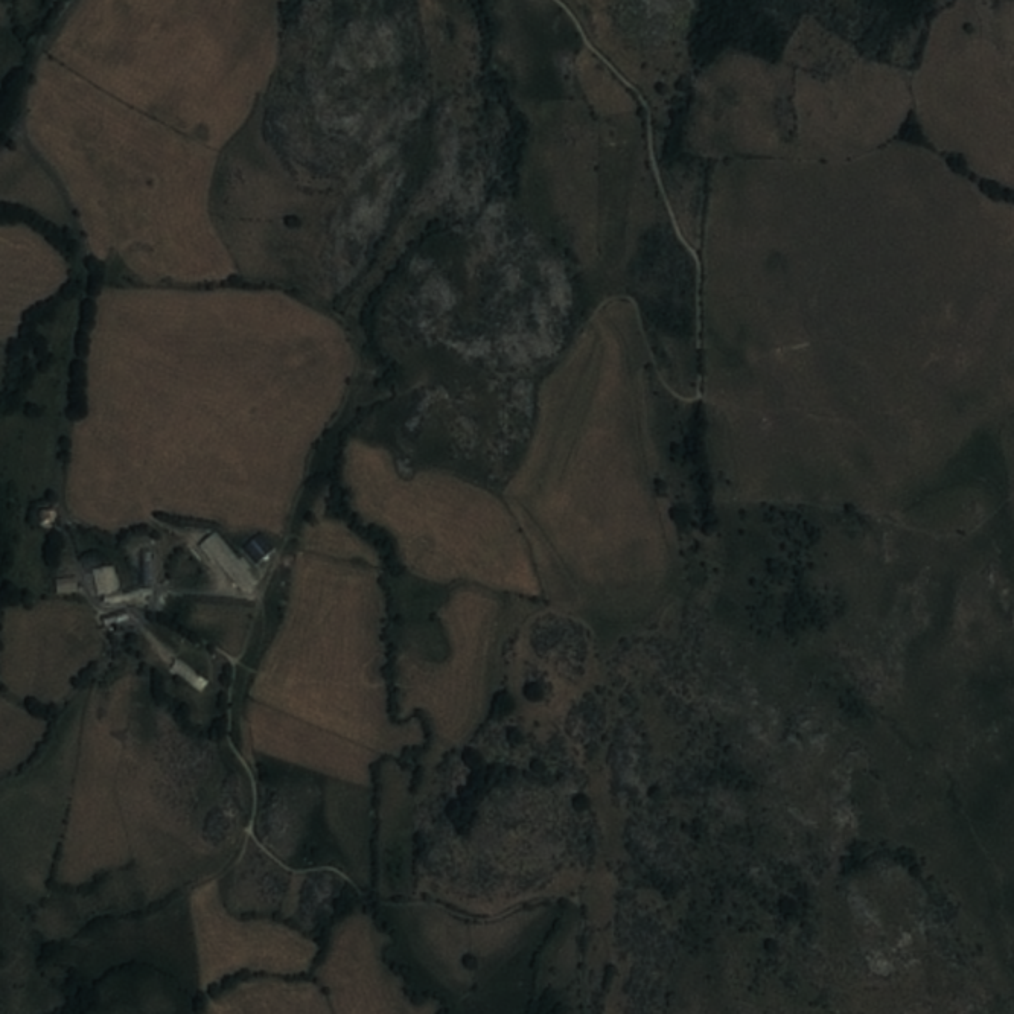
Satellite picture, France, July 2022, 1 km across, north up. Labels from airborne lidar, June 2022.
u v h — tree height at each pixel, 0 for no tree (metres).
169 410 0
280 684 0
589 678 0
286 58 0
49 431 0
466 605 0
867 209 0
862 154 0
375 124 0
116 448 0
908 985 0
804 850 0
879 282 0
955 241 0
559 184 0
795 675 0
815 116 0
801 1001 0
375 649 0
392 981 0
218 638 0
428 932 0
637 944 0
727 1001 0
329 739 0
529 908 8
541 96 0
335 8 0
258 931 0
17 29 14
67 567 0
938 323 0
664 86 12
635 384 0
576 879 0
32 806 0
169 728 0
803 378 0
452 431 0
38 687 0
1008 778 0
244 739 0
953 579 0
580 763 0
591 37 0
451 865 0
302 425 0
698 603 0
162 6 0
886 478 0
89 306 17
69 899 0
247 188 0
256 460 0
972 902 0
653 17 0
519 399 0
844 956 0
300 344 0
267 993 0
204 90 0
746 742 0
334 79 0
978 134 0
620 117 0
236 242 0
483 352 0
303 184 0
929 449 0
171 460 0
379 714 0
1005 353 0
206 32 0
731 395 0
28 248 0
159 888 0
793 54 0
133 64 0
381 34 0
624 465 0
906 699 0
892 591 0
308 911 0
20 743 0
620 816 0
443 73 0
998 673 0
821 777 0
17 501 7
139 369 0
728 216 0
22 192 0
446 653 0
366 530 7
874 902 0
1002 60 0
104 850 0
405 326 0
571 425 0
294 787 0
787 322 0
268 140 0
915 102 0
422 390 0
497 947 0
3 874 0
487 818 0
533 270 0
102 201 0
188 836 0
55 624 0
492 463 0
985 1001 0
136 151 0
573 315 0
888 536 0
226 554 0
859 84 0
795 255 0
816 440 0
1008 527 0
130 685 0
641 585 0
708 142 0
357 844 0
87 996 16
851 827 0
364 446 0
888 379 0
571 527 0
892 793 0
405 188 0
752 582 12
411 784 7
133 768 0
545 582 0
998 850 0
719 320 0
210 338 0
